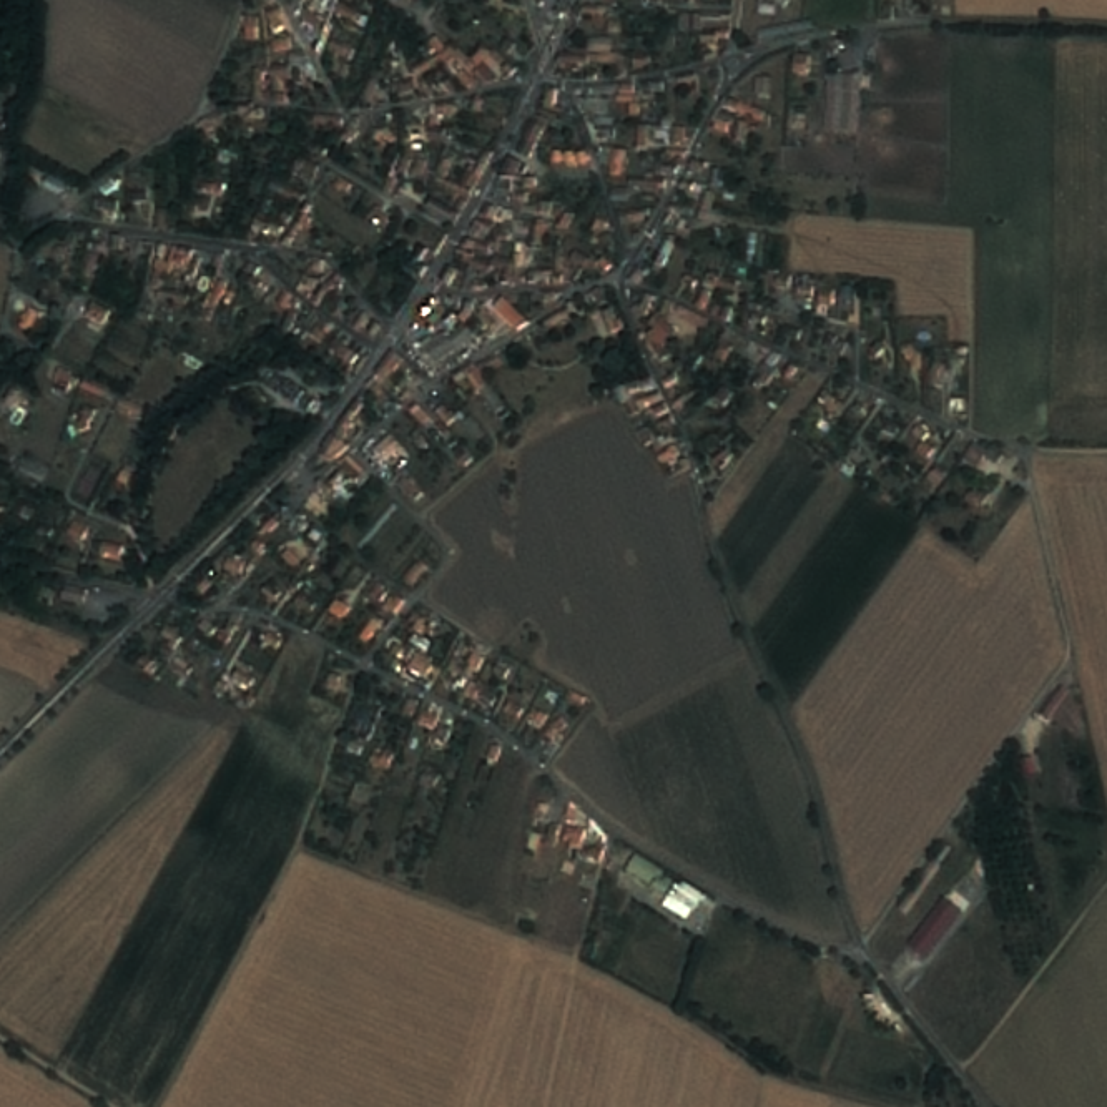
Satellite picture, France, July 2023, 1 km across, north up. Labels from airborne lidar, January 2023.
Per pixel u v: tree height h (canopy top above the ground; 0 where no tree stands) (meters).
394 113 8
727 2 12
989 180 0
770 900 0
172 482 0
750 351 0
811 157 0
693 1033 0
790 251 0
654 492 0
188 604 10
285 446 16
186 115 0
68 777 0
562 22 0
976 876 0
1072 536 0
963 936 0
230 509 11
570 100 0
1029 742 0
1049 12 8
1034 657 0
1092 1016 0
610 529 0
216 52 0
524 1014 0
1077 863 0
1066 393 0
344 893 0
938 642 0
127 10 0
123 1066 0
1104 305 0
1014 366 0
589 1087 0
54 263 12
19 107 16
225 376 8
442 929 0
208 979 0
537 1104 0
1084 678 0
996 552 0
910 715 0
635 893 0
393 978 0
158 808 0
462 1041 0
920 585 0
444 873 0
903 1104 0
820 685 0
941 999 0
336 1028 0
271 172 8
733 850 0
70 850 0
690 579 0
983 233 0
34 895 0
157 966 0
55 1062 0
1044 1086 0
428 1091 0
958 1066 0
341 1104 0
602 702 0
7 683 0
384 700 10
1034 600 0
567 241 0
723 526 0
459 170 7
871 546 0
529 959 0
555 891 0
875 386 0
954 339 0
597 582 0
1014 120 0
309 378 7
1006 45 0
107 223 0
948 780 0
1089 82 0
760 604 0
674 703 0
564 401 0
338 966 0
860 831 0
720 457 0
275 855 0
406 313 0
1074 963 0
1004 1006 0
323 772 0
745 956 0
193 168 8
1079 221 0
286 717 0
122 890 0
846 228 0
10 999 0
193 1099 0
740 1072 0
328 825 6
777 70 0
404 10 6
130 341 0
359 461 0
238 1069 0
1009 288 0
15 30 22
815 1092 0
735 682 0
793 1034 0
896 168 0
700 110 6
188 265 0
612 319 0
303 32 0
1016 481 0
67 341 0
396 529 0
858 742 0
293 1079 0
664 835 0
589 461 0
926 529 0
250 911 0
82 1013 0
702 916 0
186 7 0
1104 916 0
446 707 0
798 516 0
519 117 0
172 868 0
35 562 16
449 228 10
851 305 0
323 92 21
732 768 0
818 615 0
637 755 0
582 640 0
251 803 0
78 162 0
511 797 0
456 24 7
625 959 0
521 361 16
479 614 0
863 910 0
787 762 0
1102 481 0
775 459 0
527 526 0
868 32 0
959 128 0
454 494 0
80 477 0
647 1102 0
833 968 0
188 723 0
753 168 0
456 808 0
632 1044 0
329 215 0
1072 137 0
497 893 0
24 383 16
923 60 0
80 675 0
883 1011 0
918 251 0
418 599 0
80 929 0
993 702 0
